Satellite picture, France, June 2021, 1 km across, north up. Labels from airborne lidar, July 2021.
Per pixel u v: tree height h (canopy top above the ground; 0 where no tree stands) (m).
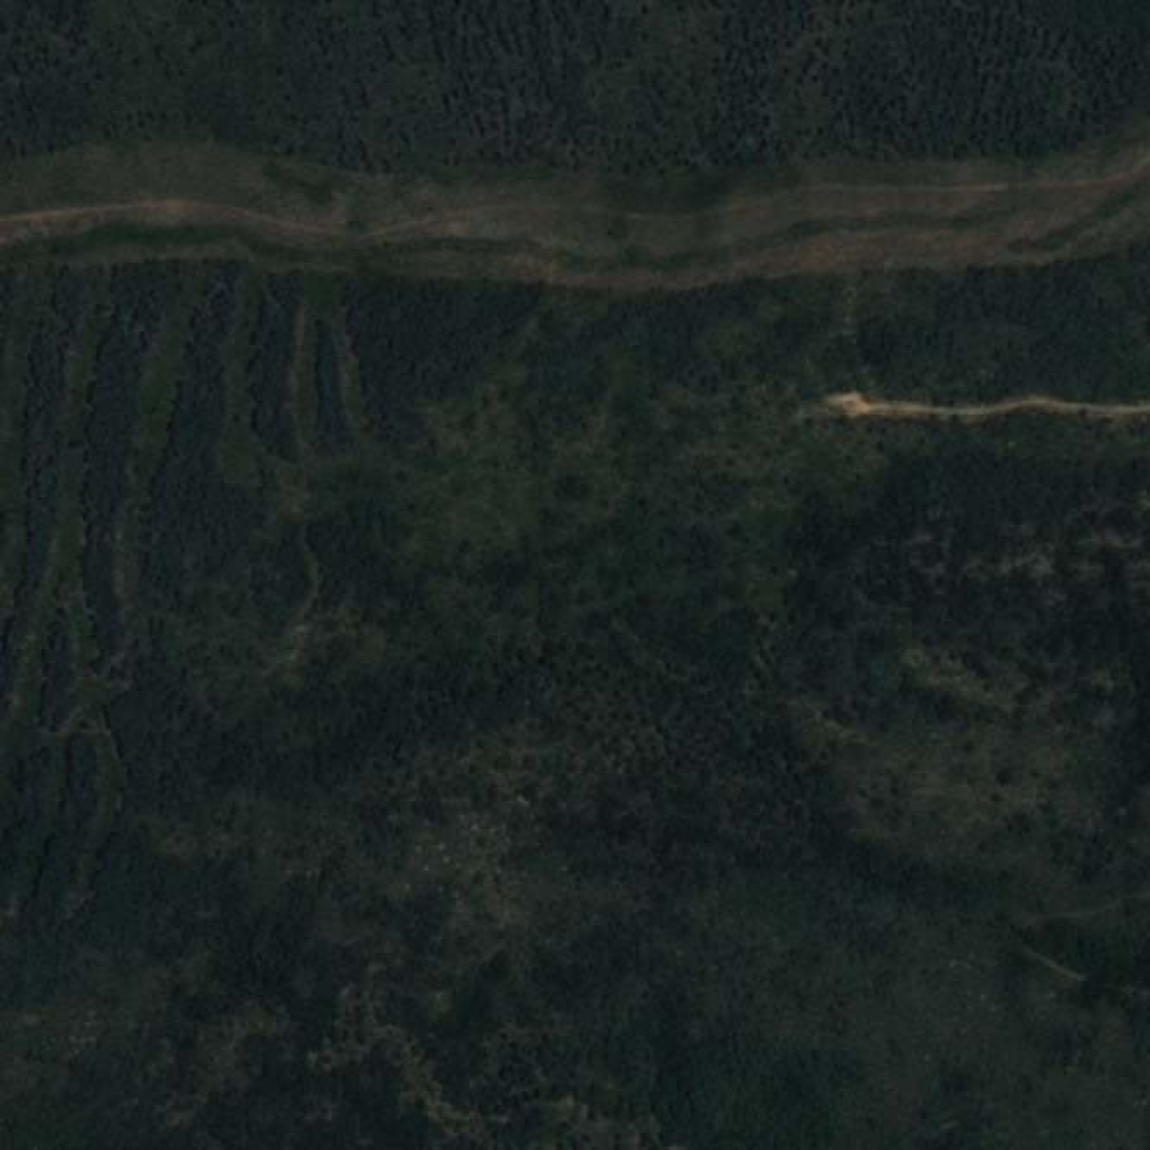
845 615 7
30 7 9
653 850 7
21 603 13
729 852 5
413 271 0
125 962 7
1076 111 7
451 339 11
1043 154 8
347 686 8
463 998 9
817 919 8
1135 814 7
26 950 6
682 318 7
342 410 12
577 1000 8
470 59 10
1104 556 11
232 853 7
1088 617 13
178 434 13
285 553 8
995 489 11
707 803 7
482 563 8
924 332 8
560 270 0
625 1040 13
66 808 13
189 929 8
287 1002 10
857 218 0
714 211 0
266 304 11
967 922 5
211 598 6
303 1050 10
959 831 0
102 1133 7
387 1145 12
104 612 11
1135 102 10
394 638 8
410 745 11
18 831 14
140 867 12
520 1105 16
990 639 7
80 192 0
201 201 0
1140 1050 10
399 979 7
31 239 0
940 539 6
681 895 7
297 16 12
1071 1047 6
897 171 0
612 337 7
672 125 7
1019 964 9
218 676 7
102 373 13
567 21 12
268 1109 6
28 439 11
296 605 6
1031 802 0
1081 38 13
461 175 0
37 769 15
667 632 6
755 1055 7
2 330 13
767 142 12
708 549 9
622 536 11
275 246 0
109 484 13
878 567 7
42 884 14
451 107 11
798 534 7
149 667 12
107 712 12
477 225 0
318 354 9
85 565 10
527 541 7
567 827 6
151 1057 6
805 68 8
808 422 9
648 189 0
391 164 8
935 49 6
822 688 10
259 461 8
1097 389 10
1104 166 0
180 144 0
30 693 0
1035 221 0
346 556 14
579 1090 9
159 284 8
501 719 9
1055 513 6
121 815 11
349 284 8
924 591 9
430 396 9
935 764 0
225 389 13
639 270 0
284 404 12
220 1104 7
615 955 10
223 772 12
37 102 6
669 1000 8
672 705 8
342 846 7
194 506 10
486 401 7
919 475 6
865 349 6
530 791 9
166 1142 9
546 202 0
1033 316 8
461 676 9
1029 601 9
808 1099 7
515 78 7
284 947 8
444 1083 9
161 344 0
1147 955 10
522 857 6
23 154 8
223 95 13
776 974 8
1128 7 9
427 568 8
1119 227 0
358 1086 12
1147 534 9
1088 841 7
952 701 11
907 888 8
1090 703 9
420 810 10
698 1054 12
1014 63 12
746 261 0
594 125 11
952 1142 9
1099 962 8
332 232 0
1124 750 9
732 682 7
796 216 0
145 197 0
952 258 0
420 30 10
